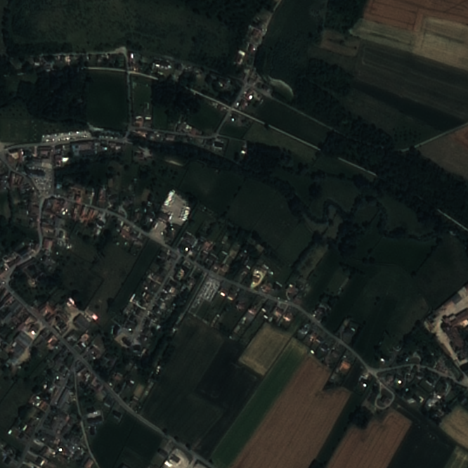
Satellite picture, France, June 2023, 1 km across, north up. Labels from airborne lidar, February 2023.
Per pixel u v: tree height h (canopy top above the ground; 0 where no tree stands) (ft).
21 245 0
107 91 0
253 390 0
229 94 52
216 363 0
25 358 0
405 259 0
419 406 0
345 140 22
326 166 0
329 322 0
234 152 0
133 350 0
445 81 0
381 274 0
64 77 68
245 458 0
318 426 0
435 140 0
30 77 0
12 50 38
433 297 0
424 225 94
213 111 0
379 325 0
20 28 18
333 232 0
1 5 0
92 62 0
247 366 0
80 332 0
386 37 0
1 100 32
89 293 0
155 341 0
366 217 0
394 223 0
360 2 31
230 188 0
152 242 0
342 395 0
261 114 0
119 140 0
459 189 40
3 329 18
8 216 0
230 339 0
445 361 0
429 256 26
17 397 0
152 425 0
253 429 0
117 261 0
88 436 0
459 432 0
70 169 24
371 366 0
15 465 0
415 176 36
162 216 0
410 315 0
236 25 47
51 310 0
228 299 0
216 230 0
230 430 0
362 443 0
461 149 0
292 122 0
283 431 0
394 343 0
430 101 0
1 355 0
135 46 19
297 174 21
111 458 0
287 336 0
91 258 0
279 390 0
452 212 21
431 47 0
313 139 0
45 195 0
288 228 0
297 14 0
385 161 75
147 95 0
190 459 0
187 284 29
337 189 0
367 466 0
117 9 0
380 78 0
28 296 0
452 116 0
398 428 0
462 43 0
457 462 0
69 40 0
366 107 0
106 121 0
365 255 0
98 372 41
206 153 51
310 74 45
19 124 0
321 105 55
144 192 0
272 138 0
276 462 0
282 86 0
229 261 0
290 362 0
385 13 0
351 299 0
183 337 0
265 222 0
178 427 0
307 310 0
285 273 0
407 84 0
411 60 0
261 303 0
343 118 65
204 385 0
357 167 0
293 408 0
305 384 0
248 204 0
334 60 0
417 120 0
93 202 0
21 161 0
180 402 0
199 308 0
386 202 0
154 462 0
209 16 46
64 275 0
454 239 0
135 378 0
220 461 0
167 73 0
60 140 0
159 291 0
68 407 0
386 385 0
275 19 0
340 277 0
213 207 0
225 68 58
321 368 0
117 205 22
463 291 0
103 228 0
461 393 30
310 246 24
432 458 0
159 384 0
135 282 0
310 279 0
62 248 0
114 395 0
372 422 0
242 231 40
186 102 90
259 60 44
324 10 0
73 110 69
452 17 0
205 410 0
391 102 0
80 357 0
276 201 0
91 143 0
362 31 0
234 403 0
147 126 0
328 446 0
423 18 0
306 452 0
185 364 0
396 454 0
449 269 0
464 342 0
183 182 0
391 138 47
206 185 0
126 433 0
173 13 0
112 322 0
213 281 0
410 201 56
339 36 0
